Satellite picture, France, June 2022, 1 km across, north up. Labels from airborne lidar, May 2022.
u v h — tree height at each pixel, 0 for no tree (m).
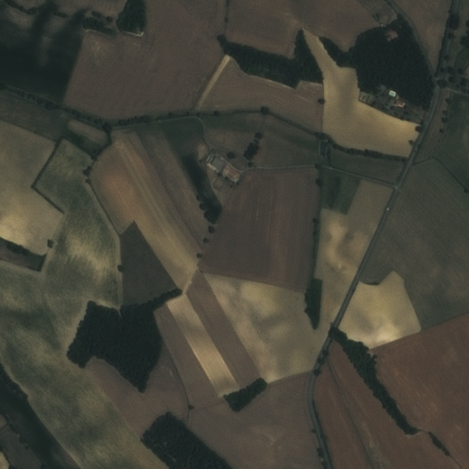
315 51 0
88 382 0
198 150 0
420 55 18
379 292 0
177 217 0
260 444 0
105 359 11
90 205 0
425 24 0
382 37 17
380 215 0
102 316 16
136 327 19
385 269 0
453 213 0
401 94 15
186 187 0
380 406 0
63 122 0
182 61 0
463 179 0
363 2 0
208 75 0
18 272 0
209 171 0
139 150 0
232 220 0
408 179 0
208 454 16
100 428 0
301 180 0
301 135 0
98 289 0
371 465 0
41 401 0
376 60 19
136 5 13
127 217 0
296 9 0
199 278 0
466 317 0
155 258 0
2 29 0
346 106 0
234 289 0
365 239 0
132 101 0
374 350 0
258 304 0
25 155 0
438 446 13
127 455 0
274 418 0
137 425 0
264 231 0
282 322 0
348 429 0
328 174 0
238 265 0
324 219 0
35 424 0
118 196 0
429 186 0
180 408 0
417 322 0
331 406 0
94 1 0
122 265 8
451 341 0
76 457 0
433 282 0
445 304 0
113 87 0
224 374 0
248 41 0
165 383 0
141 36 0
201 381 0
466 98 0
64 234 0
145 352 18
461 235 0
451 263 0
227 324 0
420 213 0
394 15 0
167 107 0
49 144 0
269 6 0
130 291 0
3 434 0
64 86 0
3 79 0
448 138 0
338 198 0
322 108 0
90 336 14
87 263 0
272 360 0
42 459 0
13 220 0
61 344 0
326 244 0
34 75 0
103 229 0
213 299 0
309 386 0
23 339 0
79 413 0
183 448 16
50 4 0
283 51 0
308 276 0
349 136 0
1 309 0
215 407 0
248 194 0
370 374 14
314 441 0
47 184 0
